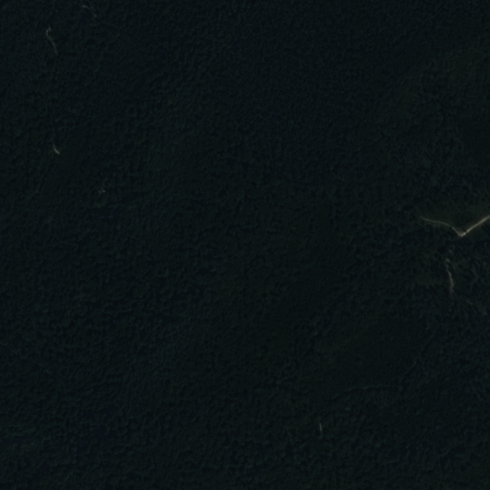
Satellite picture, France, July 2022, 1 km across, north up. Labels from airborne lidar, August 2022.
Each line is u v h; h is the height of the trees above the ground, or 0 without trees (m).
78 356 22
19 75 23
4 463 26
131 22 16
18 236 19
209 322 16
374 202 23
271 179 28
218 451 28
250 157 27
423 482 17
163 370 18
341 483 21
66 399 25
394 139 22
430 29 25
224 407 23
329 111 23
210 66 22
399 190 20
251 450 23
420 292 24
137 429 29
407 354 10
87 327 13
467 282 7
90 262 29
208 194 24
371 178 23
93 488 27
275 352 11
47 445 24
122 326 30
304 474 25
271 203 25
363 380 11
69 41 22
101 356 27
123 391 29
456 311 15
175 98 19
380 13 21
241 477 13
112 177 22
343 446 28
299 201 24
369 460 26
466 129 10
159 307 25
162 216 20
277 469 20
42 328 20
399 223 16
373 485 21
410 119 23
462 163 18
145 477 8
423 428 24
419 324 11
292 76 17
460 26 25
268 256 20
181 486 20
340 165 23
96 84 20
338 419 25
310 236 25
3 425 30
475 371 28
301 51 14
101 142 20
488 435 22
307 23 21
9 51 21
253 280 26
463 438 20
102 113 16
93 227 28
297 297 19
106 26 31
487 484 19
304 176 20
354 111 21
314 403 10
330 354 20
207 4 20
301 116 15
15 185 11
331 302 20
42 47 22
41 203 18
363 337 11
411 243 20
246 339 15
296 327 12
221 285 20
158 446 20
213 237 23
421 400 12
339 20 18
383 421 10
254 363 13
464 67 14
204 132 19
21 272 24
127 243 26
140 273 30
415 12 26
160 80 29
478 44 21
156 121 23
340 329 23
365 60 17
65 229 19
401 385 24
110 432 9
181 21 23
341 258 19
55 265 26
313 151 23
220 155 25
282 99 24
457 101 19
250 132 27
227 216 28
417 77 13
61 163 15
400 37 17
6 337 23
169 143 13
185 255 29
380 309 15
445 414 11
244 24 24
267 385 24
